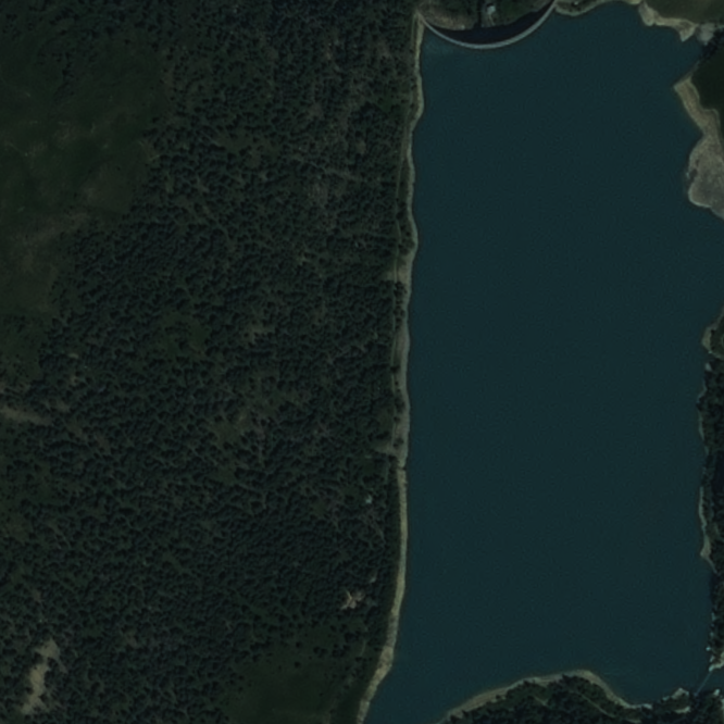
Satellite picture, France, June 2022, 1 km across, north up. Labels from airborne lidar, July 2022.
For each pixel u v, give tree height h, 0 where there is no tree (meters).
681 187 0
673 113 0
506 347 0
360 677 12
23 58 0
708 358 0
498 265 0
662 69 0
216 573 29
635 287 0
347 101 25
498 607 0
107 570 23
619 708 7
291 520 30
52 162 0
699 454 0
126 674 15
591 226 0
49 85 0
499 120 0
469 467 0
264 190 21
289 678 0
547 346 0
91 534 25
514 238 0
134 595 22
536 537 0
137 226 15
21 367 8
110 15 10
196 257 30
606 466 0
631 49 0
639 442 0
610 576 0
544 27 0
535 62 0
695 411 0
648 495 0
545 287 0
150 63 0
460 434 0
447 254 0
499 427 0
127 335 28
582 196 0
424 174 0
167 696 29
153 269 24
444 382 0
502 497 0
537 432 0
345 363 30
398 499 8
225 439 0
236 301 26
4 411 0
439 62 0
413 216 0
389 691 0
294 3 23
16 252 0
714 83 0
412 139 0
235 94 22
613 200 0
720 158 0
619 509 0
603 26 0
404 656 0
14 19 13
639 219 0
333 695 0
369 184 10
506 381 0
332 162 15
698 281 0
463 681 0
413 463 0
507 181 0
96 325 22
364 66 18
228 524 22
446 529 0
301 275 23
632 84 0
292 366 8
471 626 0
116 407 24
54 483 8
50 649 0
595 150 0
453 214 0
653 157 0
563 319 0
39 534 22
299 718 0
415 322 0
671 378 0
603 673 0
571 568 0
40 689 0
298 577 24
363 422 29
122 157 0
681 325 0
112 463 22
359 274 12
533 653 0
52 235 0
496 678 0
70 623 24
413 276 0
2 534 15
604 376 0
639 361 0
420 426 0
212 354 23
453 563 0
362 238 9
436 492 0
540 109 0
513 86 0
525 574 0
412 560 0
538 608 0
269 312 21
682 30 0
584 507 0
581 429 0
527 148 0
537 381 0
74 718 19
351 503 18
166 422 23
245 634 19
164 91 0
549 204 0
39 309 0
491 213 0
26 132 0
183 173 24
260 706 0
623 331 0
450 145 0
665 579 0
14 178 0
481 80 0
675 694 0
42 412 20
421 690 0
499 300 0
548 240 0
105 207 0
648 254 0
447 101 0
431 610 0
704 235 0
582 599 0
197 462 29
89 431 22
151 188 11
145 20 6
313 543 24
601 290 0
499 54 0
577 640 0
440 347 0
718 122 0
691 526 0
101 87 0
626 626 0
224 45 18
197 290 22
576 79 0
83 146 0
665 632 0
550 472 0
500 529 0
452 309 0
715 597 16
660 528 0
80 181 0
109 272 25
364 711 0
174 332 12
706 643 0
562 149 0
